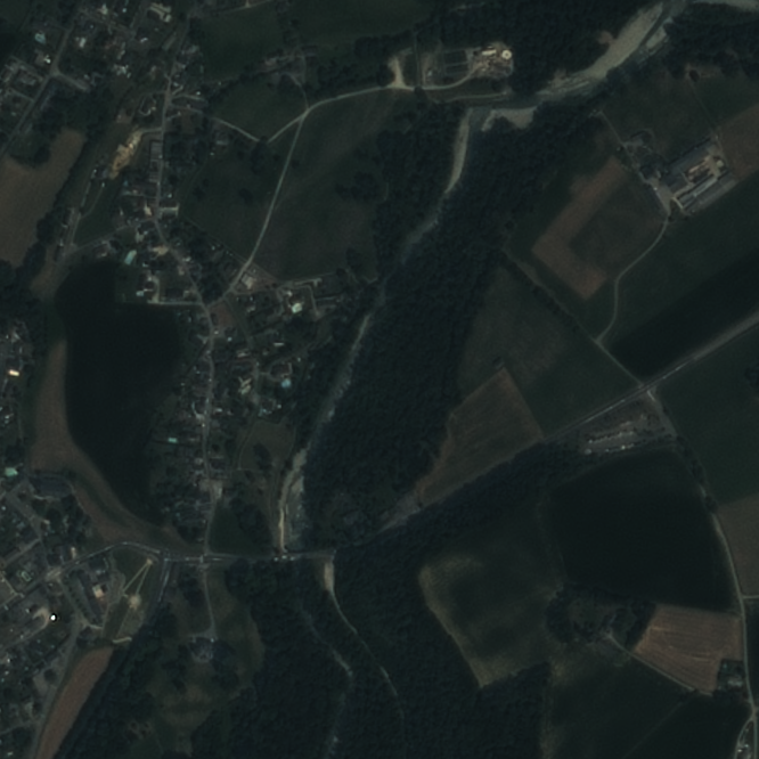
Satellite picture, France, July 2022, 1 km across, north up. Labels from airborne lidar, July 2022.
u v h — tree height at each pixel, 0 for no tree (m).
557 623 27
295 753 30
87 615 6
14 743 6
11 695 14
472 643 0
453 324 14
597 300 0
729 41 9
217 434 0
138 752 0
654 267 0
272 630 27
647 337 0
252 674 0
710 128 0
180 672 26
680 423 0
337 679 22
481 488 19
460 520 21
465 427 0
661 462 0
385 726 19
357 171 0
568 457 7
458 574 0
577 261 0
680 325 0
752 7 0
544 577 0
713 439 0
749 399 0
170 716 0
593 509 0
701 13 7
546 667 10
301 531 0
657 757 0
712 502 10
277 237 0
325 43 0
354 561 20
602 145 0
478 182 15
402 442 23
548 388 0
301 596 13
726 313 0
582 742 0
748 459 0
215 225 0
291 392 6
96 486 0
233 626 0
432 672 23
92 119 9
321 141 0
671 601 0
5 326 15
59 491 0
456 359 18
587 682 0
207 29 0
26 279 26
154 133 0
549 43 24
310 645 27
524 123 0
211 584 0
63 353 0
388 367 16
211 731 8
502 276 0
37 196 0
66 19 14
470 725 25
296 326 15
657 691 0
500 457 0
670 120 0
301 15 0
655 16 0
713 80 0
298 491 0
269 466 19
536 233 0
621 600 15
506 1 29
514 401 0
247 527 22
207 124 11
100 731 26
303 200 0
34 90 6
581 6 28
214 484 0
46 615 0
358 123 0
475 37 14
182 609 0
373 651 13
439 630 18
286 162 0
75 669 0
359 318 10
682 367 0
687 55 20
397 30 0
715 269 0
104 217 0
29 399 0
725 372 0
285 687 31
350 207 0
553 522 0
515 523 0
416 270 15
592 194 0
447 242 16
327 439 13
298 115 0
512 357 0
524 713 21
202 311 0
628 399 0
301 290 0
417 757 20
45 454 0
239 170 0
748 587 0
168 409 0
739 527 0
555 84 0
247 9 0
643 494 0
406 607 21
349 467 22
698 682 0
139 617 0
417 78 0
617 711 0
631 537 0
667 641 0
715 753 0
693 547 0
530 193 25
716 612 0
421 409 23
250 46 0
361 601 13
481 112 0
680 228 0
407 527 7
